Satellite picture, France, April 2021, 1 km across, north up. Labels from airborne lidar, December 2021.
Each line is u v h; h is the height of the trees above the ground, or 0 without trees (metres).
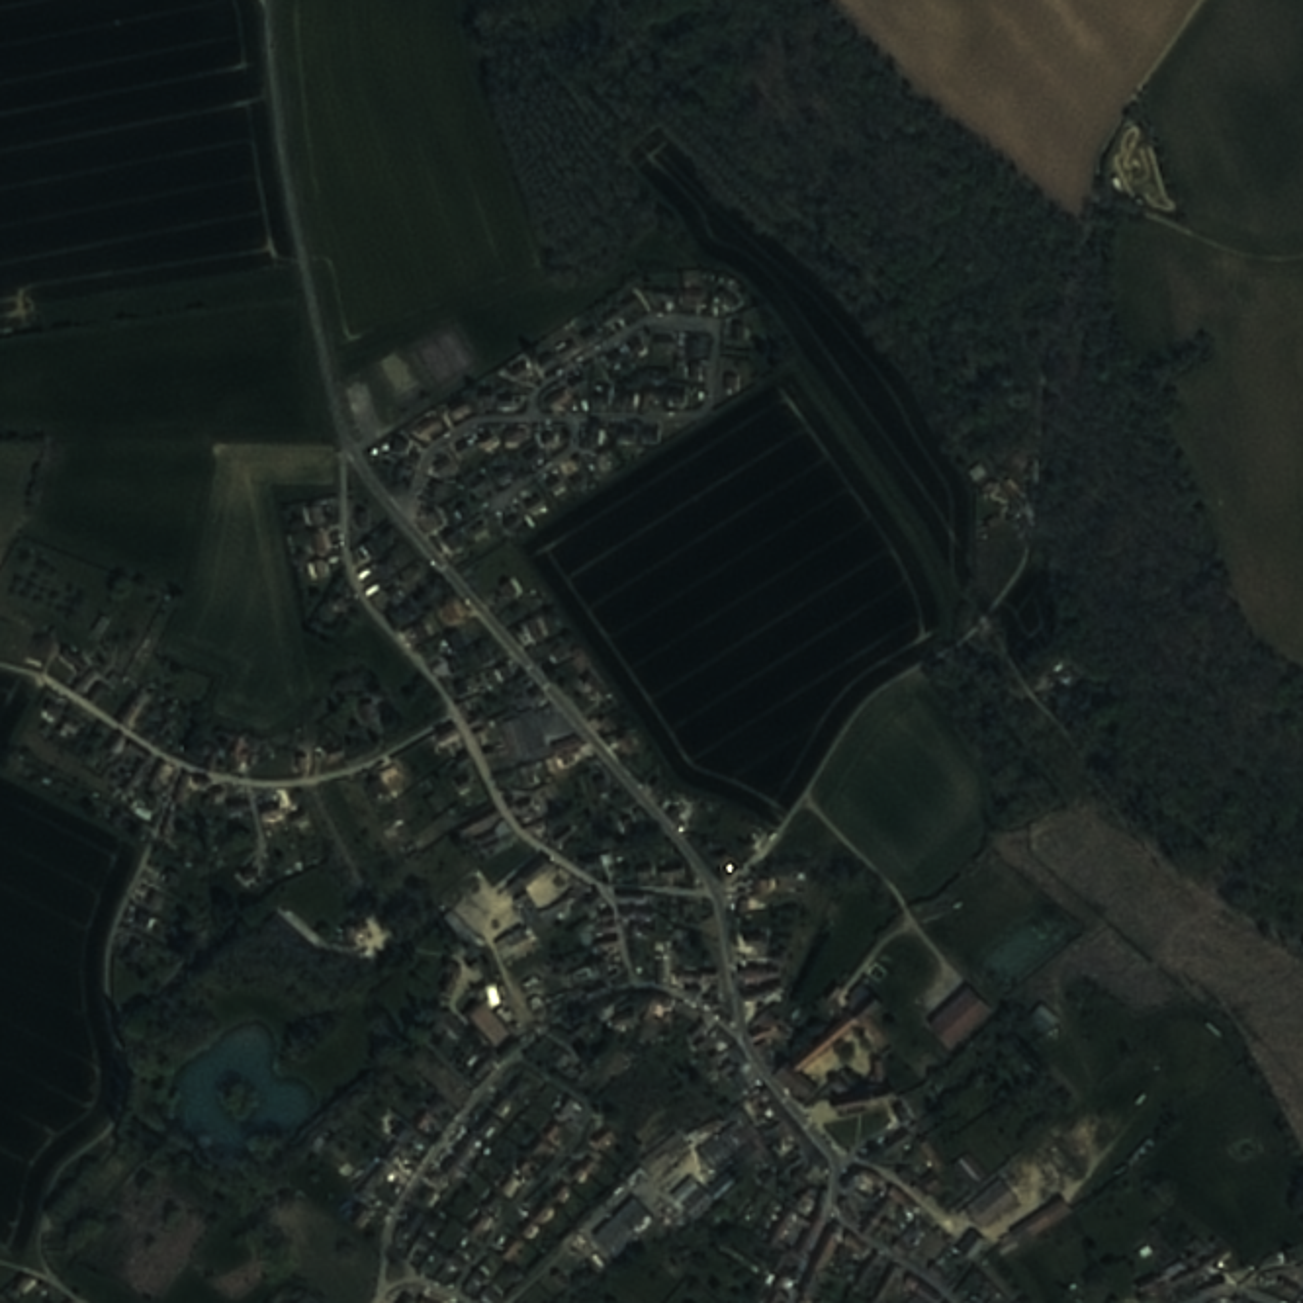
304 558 7
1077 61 0
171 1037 16
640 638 0
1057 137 0
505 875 0
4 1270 0
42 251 0
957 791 0
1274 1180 0
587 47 29
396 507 0
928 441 0
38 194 0
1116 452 18
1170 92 0
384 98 0
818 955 11
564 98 39
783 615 0
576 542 0
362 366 0
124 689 0
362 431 0
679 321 0
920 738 0
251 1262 0
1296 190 0
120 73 0
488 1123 0
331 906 0
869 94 10
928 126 14
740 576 0
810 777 0
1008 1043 13
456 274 0
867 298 34
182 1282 0
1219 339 0
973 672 24
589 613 0
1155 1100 0
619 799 11
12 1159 0
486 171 0
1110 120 0
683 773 0
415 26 0
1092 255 18
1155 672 18
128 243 0
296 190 0
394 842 0
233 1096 16
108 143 0
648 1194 0
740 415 0
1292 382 0
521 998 0
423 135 0
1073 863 0
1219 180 0
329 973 25
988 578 0
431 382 0
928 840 0
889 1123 0
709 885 0
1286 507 0
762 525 0
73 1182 9
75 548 0
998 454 21
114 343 0
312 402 0
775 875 12
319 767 0
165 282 0
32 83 0
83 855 0
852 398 0
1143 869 0
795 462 0
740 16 20
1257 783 16
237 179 0
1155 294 0
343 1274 0
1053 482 20
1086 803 0
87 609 8
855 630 0
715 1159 0
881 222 21
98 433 0
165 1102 9
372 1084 13
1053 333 17
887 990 0
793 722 0
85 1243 11
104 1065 0
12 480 0
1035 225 16
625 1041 7
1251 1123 0
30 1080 0
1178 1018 0
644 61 27
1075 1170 0
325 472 0
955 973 0
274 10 0
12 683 0
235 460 0
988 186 19
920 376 8
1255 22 0
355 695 11
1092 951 0
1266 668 21
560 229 34
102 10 0
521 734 0
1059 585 18
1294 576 0
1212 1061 0
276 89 0
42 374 0
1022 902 0
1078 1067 0
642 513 0
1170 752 18
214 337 0
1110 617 27
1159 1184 15
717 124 24
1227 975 0
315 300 0
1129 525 19
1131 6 0
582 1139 0
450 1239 0
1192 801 21
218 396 0
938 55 0
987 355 22
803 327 0
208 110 0
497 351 0
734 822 0
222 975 22
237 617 0
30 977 0
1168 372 17
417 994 0
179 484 0
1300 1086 0
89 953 0
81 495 0
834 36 20
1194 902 0
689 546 0
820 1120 0
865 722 0
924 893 0
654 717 0
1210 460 0
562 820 16
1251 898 32
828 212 20
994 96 0
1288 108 0
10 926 0
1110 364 19
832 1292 8
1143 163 0
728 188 31
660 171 0
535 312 0
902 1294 0
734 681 0
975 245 22
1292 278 0
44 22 0
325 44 0
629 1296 0
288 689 0
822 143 19
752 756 0
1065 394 23
